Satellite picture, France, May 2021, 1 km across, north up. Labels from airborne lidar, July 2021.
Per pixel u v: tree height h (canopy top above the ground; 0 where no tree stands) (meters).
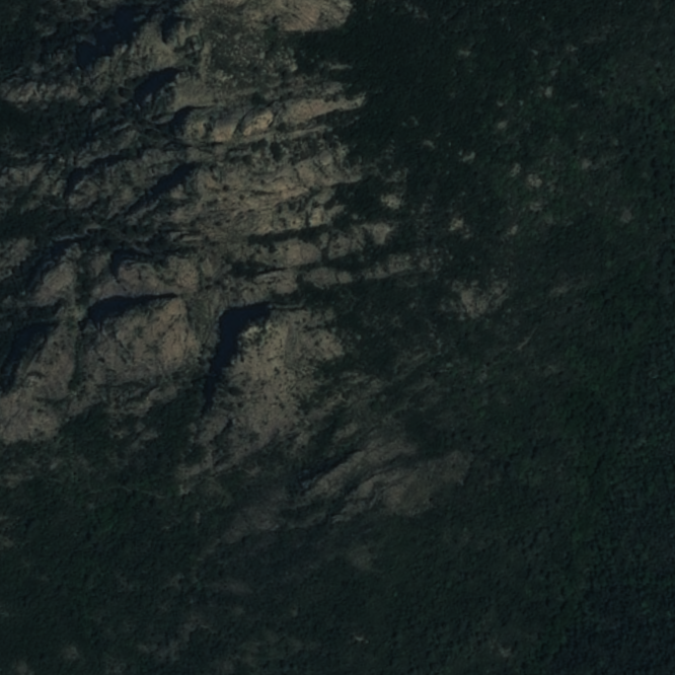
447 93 12
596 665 17
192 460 14
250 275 7
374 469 0
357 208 7
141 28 15
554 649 17
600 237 9
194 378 8
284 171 0
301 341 0
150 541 11
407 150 10
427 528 7
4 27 9
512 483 6
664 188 17
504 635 6
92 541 27
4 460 8
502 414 10
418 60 16
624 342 18
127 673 12
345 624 7
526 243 5
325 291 8
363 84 11
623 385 13
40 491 9
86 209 8
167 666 11
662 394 7
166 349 0
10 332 15
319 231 8
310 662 5
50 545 14
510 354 7
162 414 12
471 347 7
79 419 7
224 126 0
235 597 6
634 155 20
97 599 10
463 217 8
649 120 20
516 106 6
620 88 8
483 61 13
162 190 13
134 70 0
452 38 15
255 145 18
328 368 7
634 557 8
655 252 6
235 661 7
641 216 9
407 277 8
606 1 10
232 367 6
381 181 7
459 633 15
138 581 15
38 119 9
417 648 7
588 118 7
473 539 11
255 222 0
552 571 9
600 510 6
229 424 8
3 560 10
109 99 16
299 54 6
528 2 15
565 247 15
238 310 0
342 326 9
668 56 8
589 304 10
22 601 13
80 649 7
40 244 15
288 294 7
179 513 7
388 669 7
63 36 9
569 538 13
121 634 9
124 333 0
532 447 8
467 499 8
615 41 10
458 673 7
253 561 7
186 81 0
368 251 10
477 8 12
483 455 9
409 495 0
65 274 0
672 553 7
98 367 0
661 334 10
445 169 9
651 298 17
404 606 10
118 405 6
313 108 0
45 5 11
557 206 9
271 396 0
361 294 9
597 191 11
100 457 7
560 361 8
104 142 9
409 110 10
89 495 9
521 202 10
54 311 10
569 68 14
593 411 19
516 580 6
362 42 17
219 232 0
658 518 7
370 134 11
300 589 7
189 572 16
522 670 10
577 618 14
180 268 0
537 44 9
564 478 7
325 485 0
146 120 8
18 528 11
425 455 7
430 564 12
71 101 8
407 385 6
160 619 8
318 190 5
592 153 13
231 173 0
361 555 0
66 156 11
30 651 14
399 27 13
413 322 6
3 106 11
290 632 7
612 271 7
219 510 7
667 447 7
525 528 15
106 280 0
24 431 0
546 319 11
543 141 14
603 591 6
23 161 8
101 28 6
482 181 10
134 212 0
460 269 8
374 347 6
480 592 7
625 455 8
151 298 15
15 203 6
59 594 13
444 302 6
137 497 18
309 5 0
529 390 8
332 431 7
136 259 8
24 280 8
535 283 8
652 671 21
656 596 10
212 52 7
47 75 13
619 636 5
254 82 7
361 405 0
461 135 13
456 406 8
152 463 7
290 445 8
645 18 10
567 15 12
